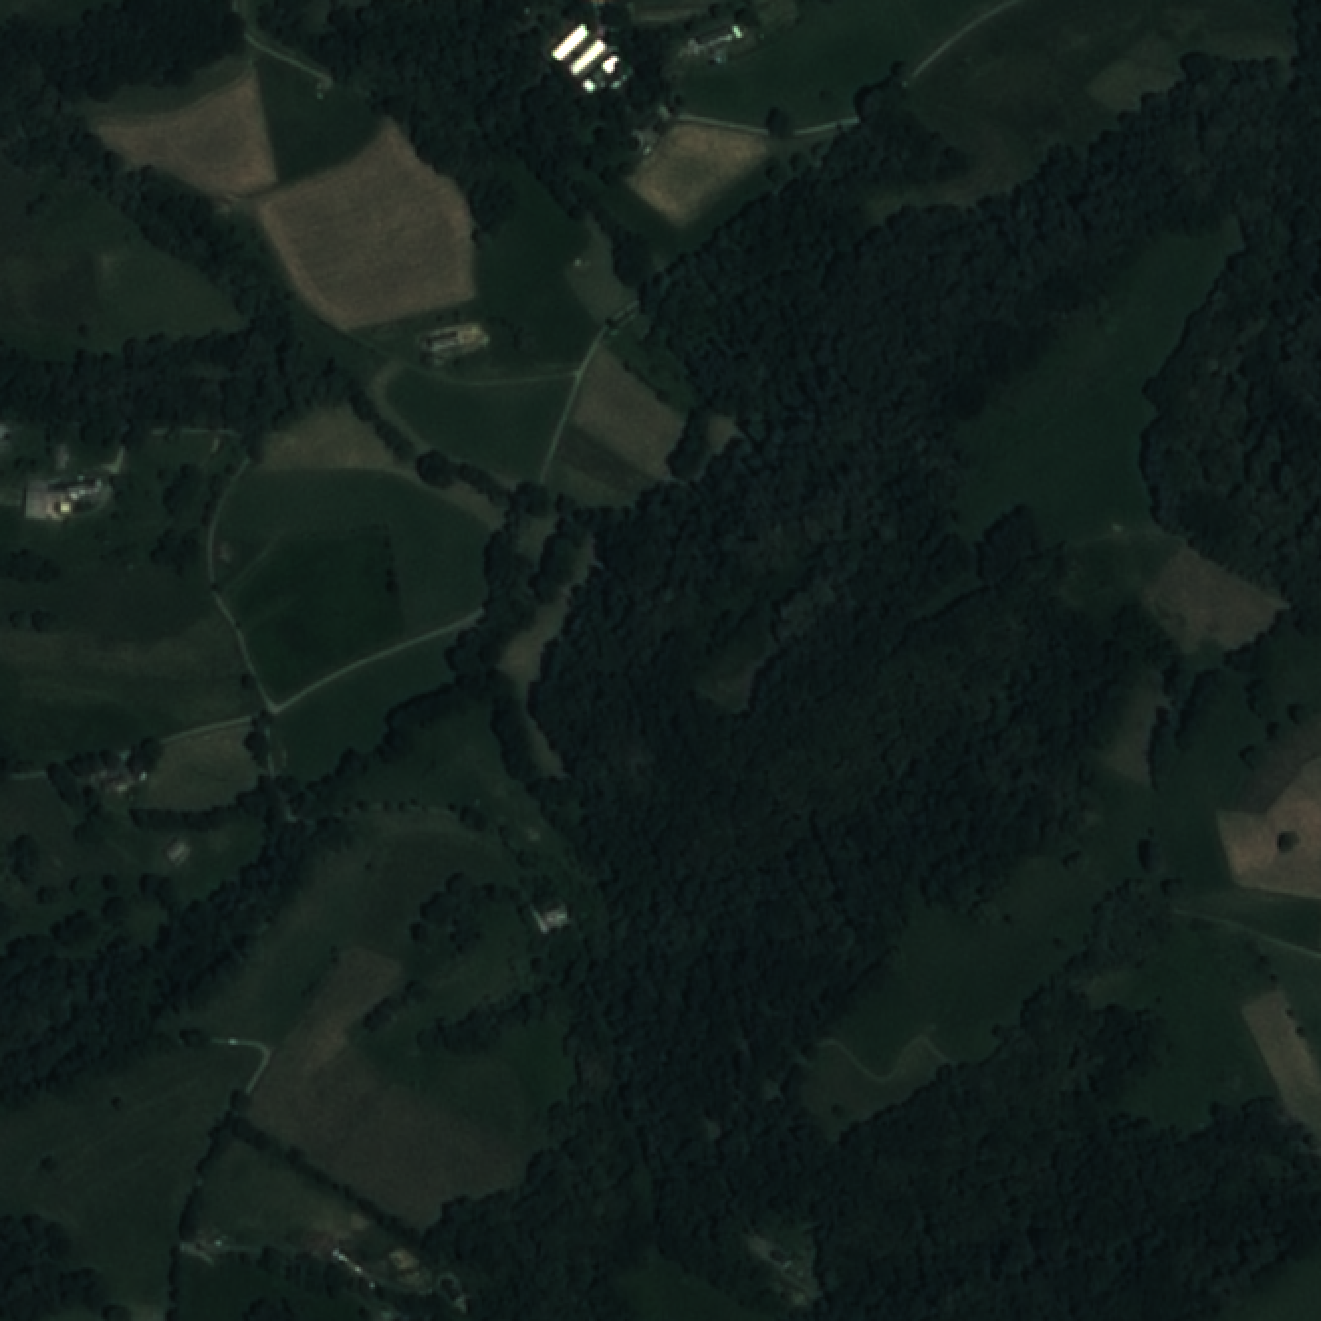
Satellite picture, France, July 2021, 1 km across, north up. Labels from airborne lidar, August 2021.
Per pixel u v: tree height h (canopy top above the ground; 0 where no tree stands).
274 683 0
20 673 0
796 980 28
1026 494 0
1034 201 24
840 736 29
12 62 22
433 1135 0
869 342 25
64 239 0
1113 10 0
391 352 0
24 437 0
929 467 23
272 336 22
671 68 24
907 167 22
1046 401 0
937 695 17
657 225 0
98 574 0
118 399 25
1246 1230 26
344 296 0
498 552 18
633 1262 22
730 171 0
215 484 9
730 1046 18
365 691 0
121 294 0
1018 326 24
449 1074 0
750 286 22
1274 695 14
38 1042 16
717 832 22
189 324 0
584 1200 16
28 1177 0
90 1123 0
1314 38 20
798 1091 18
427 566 0
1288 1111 14
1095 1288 29
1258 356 35
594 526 21
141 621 0
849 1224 23
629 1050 26
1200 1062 0
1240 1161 16
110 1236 0
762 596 6
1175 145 24
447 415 0
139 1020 27
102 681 0
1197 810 0
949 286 26
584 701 24
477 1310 16
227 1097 0
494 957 0
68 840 0
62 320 0
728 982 19
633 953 24
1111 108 0
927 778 40
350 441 0
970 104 0
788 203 19
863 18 0
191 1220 14
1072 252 24
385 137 0
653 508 27
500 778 0
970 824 16
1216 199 23
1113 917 11
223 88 0
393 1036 0
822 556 12
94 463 0
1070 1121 24
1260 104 21
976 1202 23
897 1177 20
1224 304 18
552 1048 0
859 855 32
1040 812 25
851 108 0
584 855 12
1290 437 22
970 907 15
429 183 0
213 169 0
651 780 18
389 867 0
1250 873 0
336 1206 0
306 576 0
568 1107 13
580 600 16
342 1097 0
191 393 18
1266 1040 0
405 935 0
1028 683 28
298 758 0
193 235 22
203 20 20
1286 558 24
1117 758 0
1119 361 0
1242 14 0
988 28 0
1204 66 20
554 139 20
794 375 19
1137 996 0
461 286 0
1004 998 0
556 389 0
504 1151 0
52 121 14
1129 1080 23
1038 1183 24
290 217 0
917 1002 0
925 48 0
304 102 0
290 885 23
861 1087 0
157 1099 0
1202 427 24
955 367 28
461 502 0
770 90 0
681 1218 14
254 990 0
